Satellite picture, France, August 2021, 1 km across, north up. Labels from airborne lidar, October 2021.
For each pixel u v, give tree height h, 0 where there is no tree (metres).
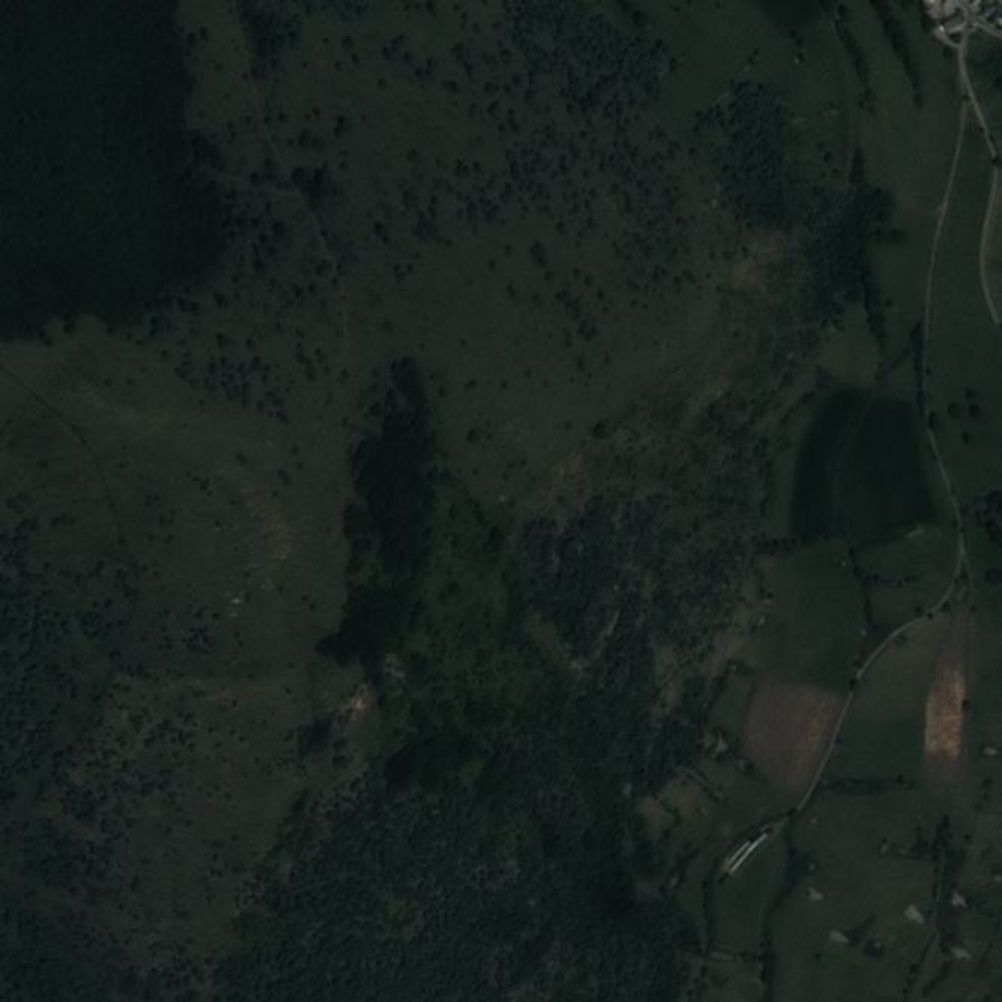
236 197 9
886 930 0
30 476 0
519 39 11
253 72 8
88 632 9
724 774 0
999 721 0
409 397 9
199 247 17
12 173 23
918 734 0
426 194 0
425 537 11
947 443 0
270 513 0
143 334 0
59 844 8
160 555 0
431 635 6
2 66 19
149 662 0
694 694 6
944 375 0
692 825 0
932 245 0
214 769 0
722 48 0
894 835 0
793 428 0
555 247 0
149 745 10
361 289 0
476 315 0
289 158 0
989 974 0
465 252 0
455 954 12
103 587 0
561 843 15
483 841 7
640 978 13
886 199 8
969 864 0
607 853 7
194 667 0
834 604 0
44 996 7
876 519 0
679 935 7
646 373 0
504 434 0
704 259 0
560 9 12
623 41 12
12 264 19
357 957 8
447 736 6
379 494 16
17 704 9
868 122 0
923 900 0
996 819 0
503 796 7
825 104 0
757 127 12
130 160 18
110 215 18
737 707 0
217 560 0
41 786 8
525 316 0
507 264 0
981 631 0
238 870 6
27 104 17
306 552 0
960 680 0
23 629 7
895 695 0
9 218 18
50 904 0
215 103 0
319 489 0
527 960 8
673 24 0
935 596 0
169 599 0
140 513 0
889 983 0
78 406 0
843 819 0
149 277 18
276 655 0
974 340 0
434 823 13
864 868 0
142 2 20
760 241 0
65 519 7
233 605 0
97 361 0
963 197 0
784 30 0
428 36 0
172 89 20
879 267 0
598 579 8
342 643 15
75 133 17
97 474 0
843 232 10
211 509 0
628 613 8
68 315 10
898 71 0
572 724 9
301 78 0
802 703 0
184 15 0
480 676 6
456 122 0
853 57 7
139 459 0
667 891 15
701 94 0
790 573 0
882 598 0
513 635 8
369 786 8
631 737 6
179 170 17
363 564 7
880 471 0
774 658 0
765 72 0
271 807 0
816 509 0
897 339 0
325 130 0
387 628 16
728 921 0
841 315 8
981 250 0
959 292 0
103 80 21
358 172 0
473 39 0
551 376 0
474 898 12
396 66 0
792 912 0
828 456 0
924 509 0
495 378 0
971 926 0
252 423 0
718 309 0
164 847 0
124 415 0
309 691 0
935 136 0
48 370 0
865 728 0
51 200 19
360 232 0
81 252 20
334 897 7
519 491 0
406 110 0
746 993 0
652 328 0
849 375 0
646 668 7
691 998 10
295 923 6
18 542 11
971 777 0
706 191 0
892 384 0
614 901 17
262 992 9
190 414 0
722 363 0
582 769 6
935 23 10
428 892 11
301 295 16
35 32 19
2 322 13
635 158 8
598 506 6
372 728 0
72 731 0
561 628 9
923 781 0
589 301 0
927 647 0
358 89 0
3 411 0
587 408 0
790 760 0
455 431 0
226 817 0
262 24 15
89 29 21
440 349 0
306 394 0
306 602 7
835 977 0
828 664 0
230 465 0
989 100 0
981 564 0
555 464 0
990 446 0
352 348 0
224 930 0
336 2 8
